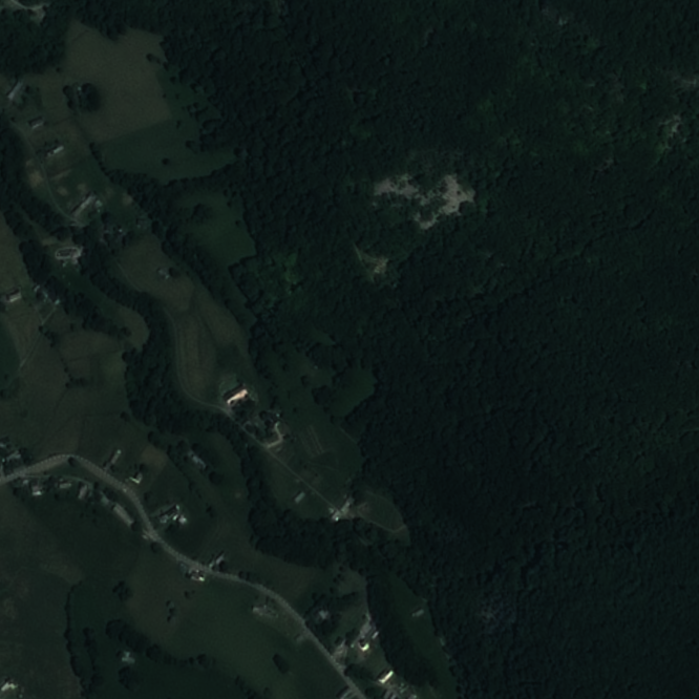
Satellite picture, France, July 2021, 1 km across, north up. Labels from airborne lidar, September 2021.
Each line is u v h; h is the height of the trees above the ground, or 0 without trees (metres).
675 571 31
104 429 0
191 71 25
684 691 30
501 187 26
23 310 0
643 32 19
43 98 0
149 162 0
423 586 17
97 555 0
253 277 31
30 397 0
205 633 0
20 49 14
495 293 26
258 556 0
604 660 28
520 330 32
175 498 0
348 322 22
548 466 32
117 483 0
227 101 24
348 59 29
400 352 33
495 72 26
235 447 8
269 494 13
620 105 7
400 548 22
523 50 20
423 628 0
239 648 0
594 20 13
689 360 23
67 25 10
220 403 0
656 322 21
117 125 0
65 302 6
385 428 24
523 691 32
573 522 24
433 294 34
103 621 0
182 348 0
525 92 19
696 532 38
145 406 18
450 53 28
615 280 26
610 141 8
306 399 0
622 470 25
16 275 0
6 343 0
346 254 24
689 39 21
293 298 28
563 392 28
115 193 0
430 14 14
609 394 34
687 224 20
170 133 0
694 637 33
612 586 26
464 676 14
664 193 19
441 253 20
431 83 25
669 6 16
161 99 0
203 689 0
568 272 30
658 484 30
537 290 33
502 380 25
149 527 0
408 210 11
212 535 0
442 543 24
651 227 28
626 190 26
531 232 21
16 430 0
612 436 24
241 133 23
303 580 0
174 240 34
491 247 17
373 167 23
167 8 21
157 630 0
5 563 0
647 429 14
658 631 26
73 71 0
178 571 0
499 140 11
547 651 31
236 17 16
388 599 36
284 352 7
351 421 16
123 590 15
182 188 17
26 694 0
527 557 7
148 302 20
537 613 22
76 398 0
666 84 14
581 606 26
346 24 21
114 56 0
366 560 6
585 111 10
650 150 22
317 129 18
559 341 28
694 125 17
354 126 31
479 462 28
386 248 11
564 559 35
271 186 24
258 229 24
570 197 28
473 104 24
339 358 24
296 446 0
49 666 0
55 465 0
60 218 19
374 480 14
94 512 7
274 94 26
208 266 22
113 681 0
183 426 30
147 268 0
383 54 22
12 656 0
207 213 17
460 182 9
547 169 29
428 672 20
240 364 0
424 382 31
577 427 30
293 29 15
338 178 22
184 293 0
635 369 27
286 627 0
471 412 27
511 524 26
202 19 18
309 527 25
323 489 0
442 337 23
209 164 0
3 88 0
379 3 25
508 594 19
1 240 0
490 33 19
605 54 22
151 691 0
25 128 0
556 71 16
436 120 26
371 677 17
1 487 0
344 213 27
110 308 0
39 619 0
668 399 17
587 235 23
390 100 22
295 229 21
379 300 25
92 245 13
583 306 24
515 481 29
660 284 24
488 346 29
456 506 25
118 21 20
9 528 0
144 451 0
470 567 29
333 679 0
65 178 0
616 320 29
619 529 25
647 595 27
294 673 0
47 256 21
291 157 19
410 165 7
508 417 27
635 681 26
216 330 0
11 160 25
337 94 31
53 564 0
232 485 0
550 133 19
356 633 0
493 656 24
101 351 0
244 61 16
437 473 31
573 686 25
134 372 13
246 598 0
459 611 19
